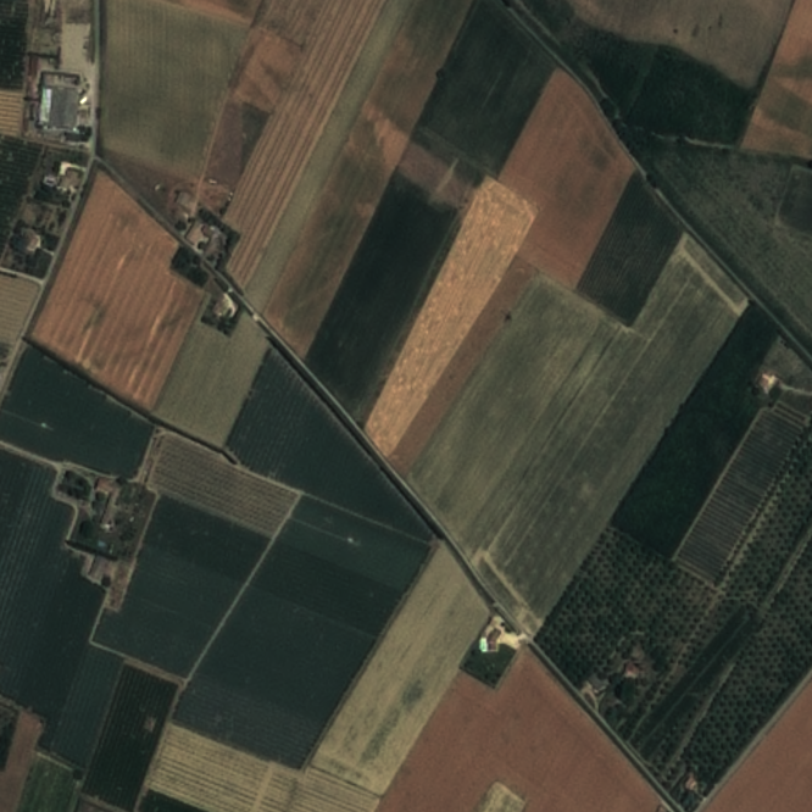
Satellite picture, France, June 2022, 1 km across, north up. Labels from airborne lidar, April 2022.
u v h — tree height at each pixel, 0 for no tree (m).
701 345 0
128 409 11
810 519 9
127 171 0
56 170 7
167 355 0
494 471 0
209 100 0
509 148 0
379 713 0
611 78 6
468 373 0
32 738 0
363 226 0
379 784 0
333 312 0
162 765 0
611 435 0
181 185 0
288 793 0
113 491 0
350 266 0
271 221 0
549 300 0
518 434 0
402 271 0
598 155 0
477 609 0
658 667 10
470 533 0
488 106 0
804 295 0
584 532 0
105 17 0
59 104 0
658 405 0
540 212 0
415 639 0
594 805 0
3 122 0
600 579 8
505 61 0
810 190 0
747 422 12
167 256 0
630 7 0
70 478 16
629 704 18
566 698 0
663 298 0
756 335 14
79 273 0
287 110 0
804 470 9
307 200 0
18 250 15
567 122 0
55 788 0
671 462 13
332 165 0
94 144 0
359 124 0
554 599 0
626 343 0
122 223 0
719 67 0
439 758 0
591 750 0
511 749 0
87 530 15
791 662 8
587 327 0
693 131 7
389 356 0
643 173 0
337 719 0
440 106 0
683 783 7
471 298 0
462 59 0
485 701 0
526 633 0
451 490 0
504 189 0
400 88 0
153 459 0
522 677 0
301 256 0
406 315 0
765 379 0
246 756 0
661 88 7
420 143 0
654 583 11
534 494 0
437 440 0
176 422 0
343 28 0
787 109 0
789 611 9
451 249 0
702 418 14
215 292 0
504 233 0
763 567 7
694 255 0
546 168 0
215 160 0
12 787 0
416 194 0
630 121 9
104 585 8
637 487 13
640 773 6
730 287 0
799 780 0
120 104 0
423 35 0
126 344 0
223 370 0
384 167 0
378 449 0
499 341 0
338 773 0
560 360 0
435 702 0
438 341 0
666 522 13
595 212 0
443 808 0
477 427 0
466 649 0
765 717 7
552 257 0
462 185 0
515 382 0
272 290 0
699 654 10
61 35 0
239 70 0
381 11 0
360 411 0
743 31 0
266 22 0
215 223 11
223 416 0
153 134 0
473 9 0
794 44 0
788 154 0
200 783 0
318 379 0
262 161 0
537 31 10
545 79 0
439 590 0
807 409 0
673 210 0
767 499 8
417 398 0
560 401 0
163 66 0
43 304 0
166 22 0
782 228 0
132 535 5
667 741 8
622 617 9
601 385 0
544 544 0
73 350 0
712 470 9
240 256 0
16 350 0
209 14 0
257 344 0
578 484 0
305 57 0
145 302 0
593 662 9
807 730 0
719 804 0
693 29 0
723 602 7
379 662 0
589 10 0
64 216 5
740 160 0
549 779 0
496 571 0
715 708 9
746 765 0
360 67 0
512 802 0
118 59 0
